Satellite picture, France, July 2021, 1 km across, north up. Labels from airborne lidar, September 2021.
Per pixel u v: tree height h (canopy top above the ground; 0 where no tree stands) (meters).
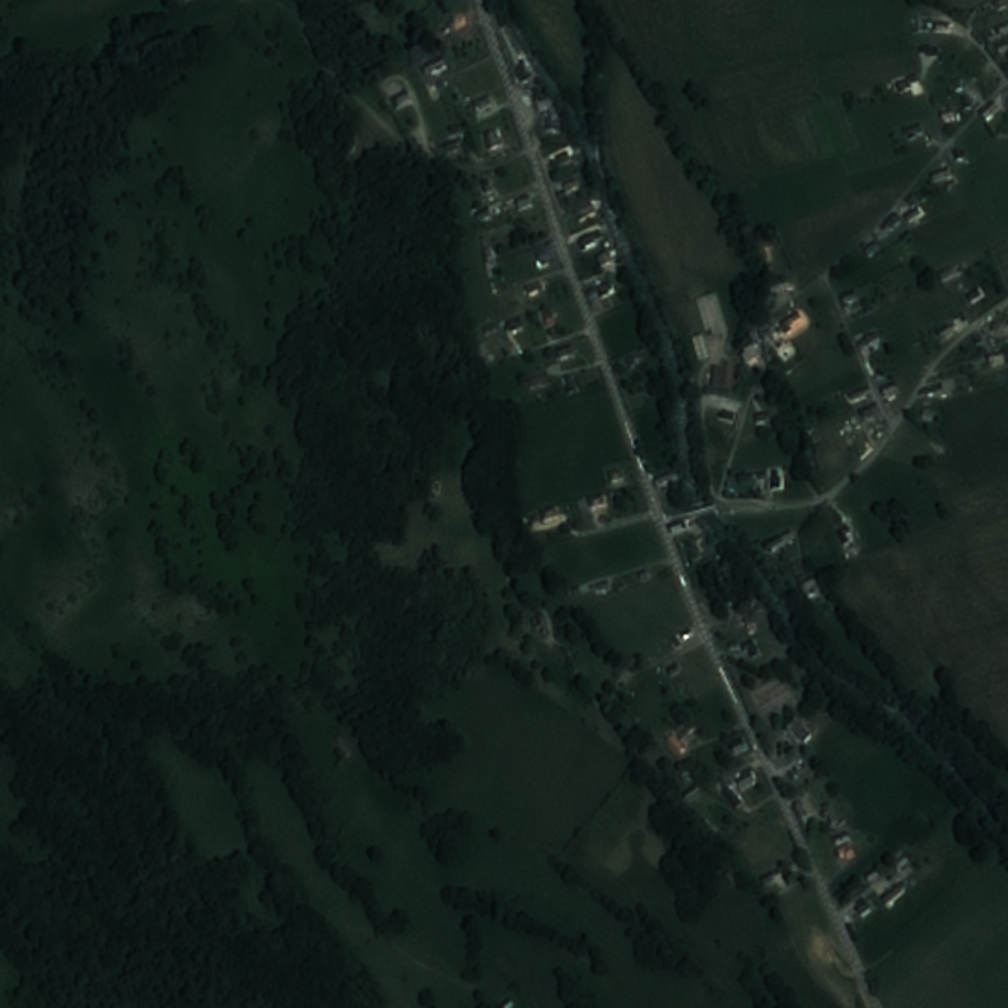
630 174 0
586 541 0
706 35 0
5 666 8
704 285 0
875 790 0
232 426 9
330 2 33
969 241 0
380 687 24
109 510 6
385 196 18
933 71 0
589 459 0
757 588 15
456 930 0
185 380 0
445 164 15
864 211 0
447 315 20
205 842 0
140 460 0
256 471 13
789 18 0
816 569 11
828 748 0
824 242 0
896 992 0
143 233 0
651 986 0
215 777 0
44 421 0
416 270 20
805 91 0
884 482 0
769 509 0
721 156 0
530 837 0
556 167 7
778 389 19
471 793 0
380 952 0
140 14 0
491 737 0
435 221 23
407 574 19
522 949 0
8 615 0
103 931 27
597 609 0
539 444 0
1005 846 14
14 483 0
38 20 0
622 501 12
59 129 22
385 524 29
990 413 0
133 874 18
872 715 19
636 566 0
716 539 10
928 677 0
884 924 0
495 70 0
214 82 0
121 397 0
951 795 13
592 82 21
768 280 17
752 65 0
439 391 27
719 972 0
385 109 5
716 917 0
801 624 18
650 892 0
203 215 14
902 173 0
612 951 0
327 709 16
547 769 0
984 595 0
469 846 0
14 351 0
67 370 19
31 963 19
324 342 33
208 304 9
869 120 0
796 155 0
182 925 28
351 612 15
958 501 0
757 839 0
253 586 19
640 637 0
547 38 0
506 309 0
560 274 0
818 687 23
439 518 17
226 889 24
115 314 0
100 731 12
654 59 0
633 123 0
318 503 18
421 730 23
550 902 0
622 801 0
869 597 0
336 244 18
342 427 31
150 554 0
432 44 27
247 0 0
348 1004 27
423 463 24
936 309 0
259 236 0
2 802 0
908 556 0
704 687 0
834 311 0
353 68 26
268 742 13
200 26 0
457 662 24
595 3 20
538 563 24
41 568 0
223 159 0
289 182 0
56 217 23
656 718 0
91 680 21
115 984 20
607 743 0
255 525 16
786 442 17
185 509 12
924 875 0
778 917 18
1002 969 0
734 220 14
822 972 0
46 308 21
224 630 0
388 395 13
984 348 7
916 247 0
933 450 0
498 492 32
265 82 0
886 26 0
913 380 0
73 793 21
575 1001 18
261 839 24
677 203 0
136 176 0
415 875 0
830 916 0
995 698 0
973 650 0
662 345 17
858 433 0
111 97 21
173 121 7
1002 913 0
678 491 14
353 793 0
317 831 18
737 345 11
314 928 24
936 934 0
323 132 20
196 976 11
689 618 0
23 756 12
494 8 22
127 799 21
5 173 10
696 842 20
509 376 0
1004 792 23
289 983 21
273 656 0
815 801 0
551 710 0
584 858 0
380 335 20
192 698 23
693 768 9
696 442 14
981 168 0
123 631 0
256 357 0
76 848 23
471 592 19
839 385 0
